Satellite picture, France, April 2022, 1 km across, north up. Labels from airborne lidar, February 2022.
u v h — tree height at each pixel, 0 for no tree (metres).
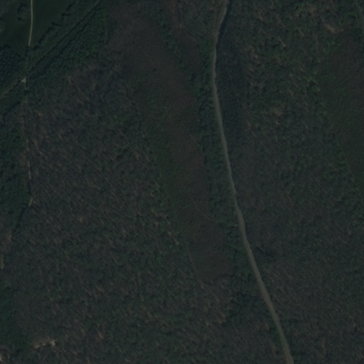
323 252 0
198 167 12
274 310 0
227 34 17
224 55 18
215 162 25
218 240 8
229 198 32
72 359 27
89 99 28
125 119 25
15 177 14
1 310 24
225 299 25
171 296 30
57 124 27
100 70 28
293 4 24
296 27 24
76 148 25
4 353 20
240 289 27
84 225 0
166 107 19
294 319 21
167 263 27
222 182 30
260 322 27
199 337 27
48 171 26
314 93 28
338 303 23
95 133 26
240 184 29
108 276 27
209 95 16
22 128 25
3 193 27
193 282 24
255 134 22
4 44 0
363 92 11
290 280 23
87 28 20
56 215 27
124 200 23
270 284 19
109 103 29
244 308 27
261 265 20
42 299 25
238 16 22
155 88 9
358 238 23
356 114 11
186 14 24
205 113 25
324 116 20
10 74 23
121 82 27
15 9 0
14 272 24
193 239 9
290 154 32
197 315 26
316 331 26
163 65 11
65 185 0
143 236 27
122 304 30
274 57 27
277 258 22
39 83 27
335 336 28
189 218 10
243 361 26
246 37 23
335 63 13
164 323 27
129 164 23
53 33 17
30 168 0
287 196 26
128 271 27
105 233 26
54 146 26
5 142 27
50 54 11
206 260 8
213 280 11
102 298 28
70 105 28
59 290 30
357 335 30
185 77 12
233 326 23
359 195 24
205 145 22
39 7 0
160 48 14
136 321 26
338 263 27
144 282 0
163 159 9
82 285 34
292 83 26
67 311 23
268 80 24
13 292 24
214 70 0
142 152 0
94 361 28
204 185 11
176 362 29
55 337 25
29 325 27
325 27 30
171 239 30
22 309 27
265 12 20
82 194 25
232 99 21
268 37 26
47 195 27
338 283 0
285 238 29
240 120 21
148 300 29
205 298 27
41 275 27
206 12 24
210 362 30
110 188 23
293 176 25
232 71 20
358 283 24
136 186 23
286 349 0
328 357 10
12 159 28
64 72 32
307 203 26
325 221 26
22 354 28
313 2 29
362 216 21
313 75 26
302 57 29
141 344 29
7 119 29
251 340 0
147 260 28
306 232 25
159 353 28
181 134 13
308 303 26
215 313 27
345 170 14
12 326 24
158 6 29
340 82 13
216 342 27
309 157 26
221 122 0
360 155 12
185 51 9
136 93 9
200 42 25
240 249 34
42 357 27
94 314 27
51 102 30
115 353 29
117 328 28
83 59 26
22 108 28
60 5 0
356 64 17
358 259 27
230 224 32
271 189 25
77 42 26
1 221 29
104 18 26
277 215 27
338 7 30
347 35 7
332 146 25
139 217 0
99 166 21
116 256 27
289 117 21
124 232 25
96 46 27
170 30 17
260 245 25
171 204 25
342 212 25
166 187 26
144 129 26
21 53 0
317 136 24
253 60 21
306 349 27
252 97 24
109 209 24
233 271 11
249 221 26
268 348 27
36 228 27
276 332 18
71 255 27
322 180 29
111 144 27
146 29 10
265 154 23
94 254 25
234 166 27
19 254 27
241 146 12
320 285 27
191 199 10
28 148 0
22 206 25
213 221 13
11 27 0
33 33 0
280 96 25
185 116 12
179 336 27
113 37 19
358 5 0
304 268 28
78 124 28
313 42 24
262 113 24
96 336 27
